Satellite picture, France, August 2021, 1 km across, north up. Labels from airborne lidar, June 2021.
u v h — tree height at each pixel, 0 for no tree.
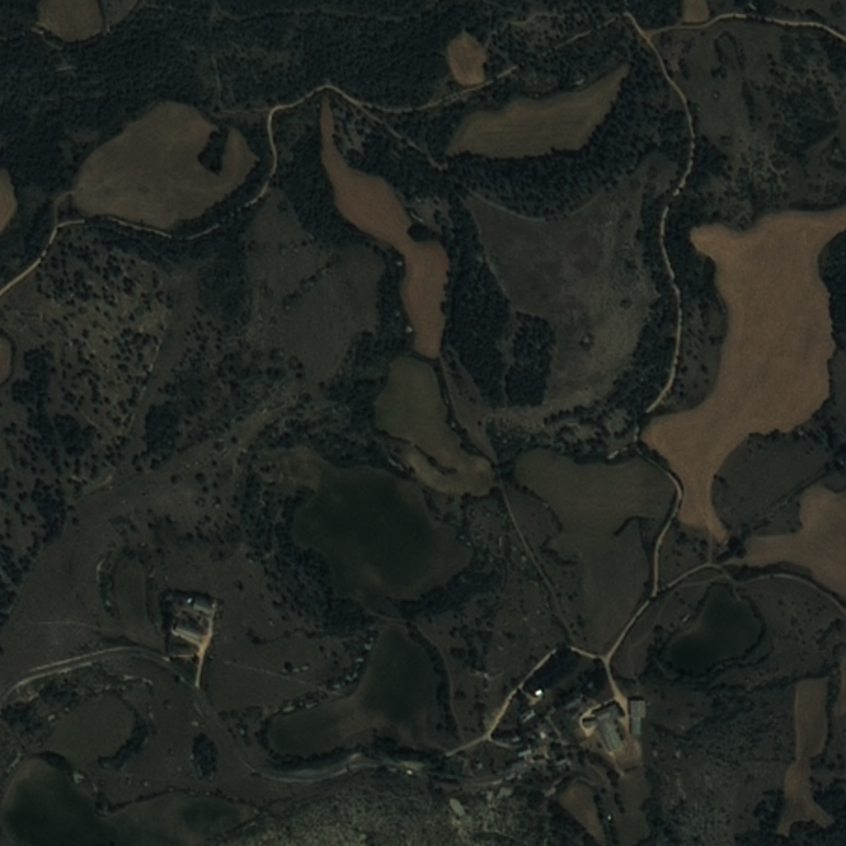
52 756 12
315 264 0
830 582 0
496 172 10
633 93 8
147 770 0
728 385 0
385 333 7
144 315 0
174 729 0
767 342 0
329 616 7
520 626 0
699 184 10
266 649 0
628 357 0
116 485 0
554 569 0
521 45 14
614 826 9
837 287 15
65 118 11
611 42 6
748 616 0
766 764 0
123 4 0
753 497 0
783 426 0
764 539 0
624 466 0
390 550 0
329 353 0
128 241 7
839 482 0
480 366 14
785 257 0
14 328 0
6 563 10
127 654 0
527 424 0
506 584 0
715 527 0
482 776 0
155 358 0
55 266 8
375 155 15
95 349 0
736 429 0
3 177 0
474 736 0
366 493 0
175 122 0
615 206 0
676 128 9
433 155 7
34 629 0
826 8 0
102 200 0
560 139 0
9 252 0
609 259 0
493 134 0
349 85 8
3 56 7
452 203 10
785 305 0
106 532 0
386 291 7
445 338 6
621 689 0
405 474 8
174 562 0
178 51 7
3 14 0
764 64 0
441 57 12
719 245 0
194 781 0
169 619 11
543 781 7
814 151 0
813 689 0
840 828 7
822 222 0
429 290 0
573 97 0
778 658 0
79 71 7
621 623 0
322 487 0
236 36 6
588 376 0
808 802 0
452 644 0
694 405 0
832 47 9
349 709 0
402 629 0
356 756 0
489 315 13
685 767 0
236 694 0
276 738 0
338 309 0
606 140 12
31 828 0
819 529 0
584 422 6
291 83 11
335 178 0
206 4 7
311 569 15
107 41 6
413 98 7
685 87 0
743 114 0
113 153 0
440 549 0
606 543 0
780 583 0
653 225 10
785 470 0
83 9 0
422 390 0
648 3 10
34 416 8
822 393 0
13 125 8
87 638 0
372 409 6
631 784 0
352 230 16
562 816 7
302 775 0
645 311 0
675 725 0
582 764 9
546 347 11
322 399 0
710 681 7
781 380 0
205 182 0
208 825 0
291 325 0
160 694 0
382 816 0
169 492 0
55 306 0
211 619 0
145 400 0
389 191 0
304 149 11
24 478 0
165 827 0
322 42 9
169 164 0
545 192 12
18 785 0
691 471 0
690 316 9
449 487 0
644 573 0
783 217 0
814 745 0
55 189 9
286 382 0
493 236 0
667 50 0
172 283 0
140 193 0
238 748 0
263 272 0
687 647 0
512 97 14
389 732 0
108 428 0
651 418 7
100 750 0
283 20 10
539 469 0
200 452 0
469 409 0
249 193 8
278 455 0
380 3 7
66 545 0
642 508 0
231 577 0
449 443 0
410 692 0
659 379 7
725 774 0
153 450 9
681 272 10
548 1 10
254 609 0
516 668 0
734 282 0
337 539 0
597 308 0
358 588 0
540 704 0
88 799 0
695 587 0
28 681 0
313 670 0
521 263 0
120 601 0
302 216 8
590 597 0
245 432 0
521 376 12
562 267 0
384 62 9
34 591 0
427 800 0
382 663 0
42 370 8
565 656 18
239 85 7
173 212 0
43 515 8
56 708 0
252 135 6
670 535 0
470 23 10
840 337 7
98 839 0
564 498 0
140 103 10
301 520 0
